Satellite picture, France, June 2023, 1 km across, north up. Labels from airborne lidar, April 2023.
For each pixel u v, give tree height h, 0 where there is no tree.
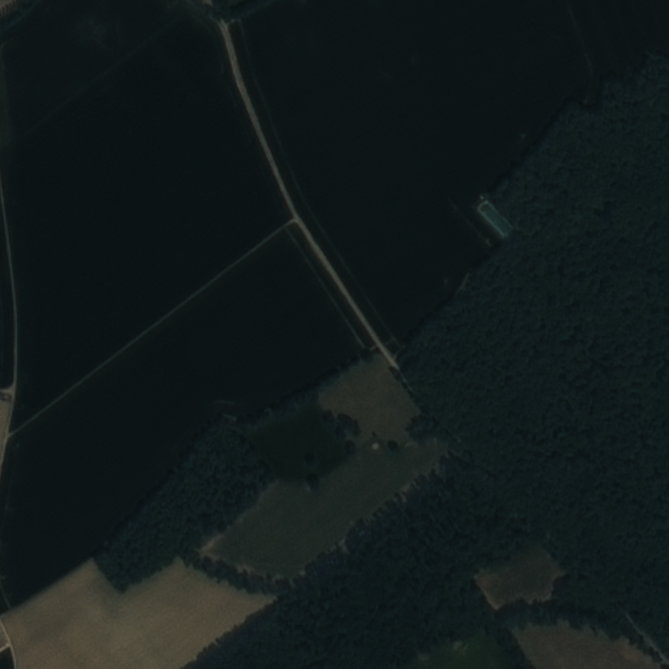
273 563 0
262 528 0
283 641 28
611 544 29
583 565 25
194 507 21
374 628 29
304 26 0
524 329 29
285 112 0
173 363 0
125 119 0
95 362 0
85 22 0
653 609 22
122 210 0
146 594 0
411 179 0
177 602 0
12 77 0
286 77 0
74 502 0
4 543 0
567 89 0
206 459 18
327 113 0
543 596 0
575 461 26
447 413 20
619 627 20
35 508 0
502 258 20
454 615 26
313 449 0
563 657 0
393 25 0
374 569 31
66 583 0
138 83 0
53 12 0
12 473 0
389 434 0
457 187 0
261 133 0
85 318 0
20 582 0
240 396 0
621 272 25
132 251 0
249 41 0
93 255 0
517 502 21
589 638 0
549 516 25
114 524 0
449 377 25
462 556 26
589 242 26
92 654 0
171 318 0
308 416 0
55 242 0
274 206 0
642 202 25
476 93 0
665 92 20
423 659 0
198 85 0
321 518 0
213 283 0
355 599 29
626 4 0
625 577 28
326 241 0
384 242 0
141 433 0
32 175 0
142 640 0
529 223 24
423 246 0
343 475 0
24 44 0
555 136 21
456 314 22
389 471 0
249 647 28
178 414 0
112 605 0
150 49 0
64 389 0
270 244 0
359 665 25
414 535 28
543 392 28
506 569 0
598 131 23
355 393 0
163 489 13
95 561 12
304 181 0
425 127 0
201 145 0
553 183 25
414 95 0
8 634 0
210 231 0
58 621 0
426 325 17
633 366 25
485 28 0
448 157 0
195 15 0
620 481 20
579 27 0
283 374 0
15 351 0
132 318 0
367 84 0
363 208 0
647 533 26
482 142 0
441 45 0
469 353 24
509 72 0
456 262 0
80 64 0
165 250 0
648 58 12
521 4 0
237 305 0
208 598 0
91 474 0
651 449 27
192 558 20
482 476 25
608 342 27
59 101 0
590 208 23
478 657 0
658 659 16
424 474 0
